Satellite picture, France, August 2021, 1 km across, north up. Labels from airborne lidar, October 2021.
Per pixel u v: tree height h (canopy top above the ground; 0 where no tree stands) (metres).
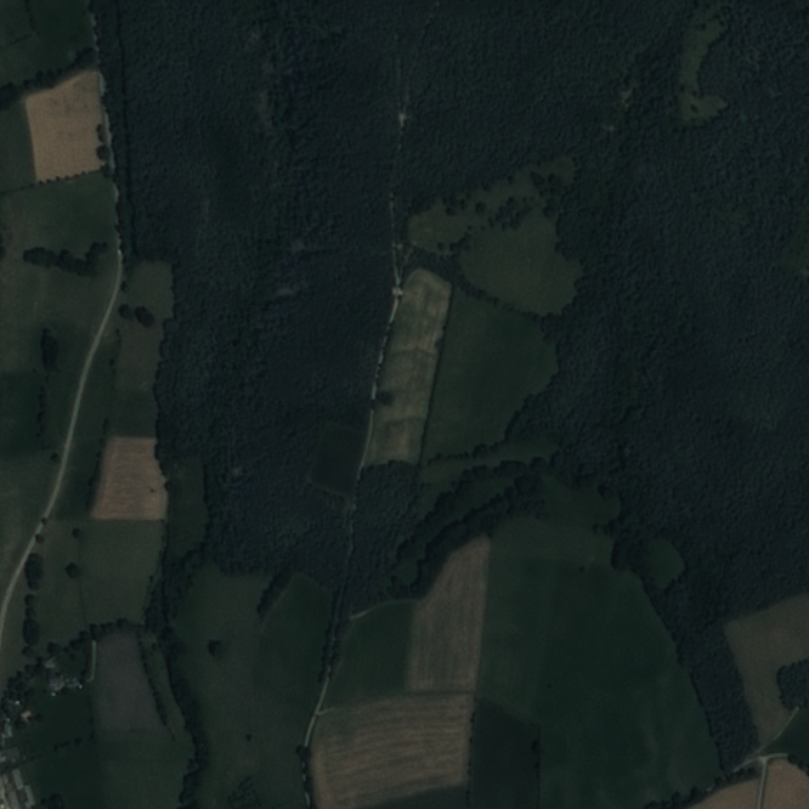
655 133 12
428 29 8
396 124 7
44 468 0
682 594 19
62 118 0
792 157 17
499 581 0
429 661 0
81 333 0
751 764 0
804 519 12
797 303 8
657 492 10
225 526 7
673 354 17
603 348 11
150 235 12
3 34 0
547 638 0
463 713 0
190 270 12
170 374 12
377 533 10
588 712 0
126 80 9
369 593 14
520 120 9
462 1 10
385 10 7
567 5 12
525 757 0
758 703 0
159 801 0
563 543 0
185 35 5
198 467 0
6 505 0
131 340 0
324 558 12
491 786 0
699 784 0
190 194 10
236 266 8
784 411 7
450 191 9
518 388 0
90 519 0
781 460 8
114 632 10
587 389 7
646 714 0
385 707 0
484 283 0
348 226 10
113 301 0
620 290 12
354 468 0
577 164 8
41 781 0
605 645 0
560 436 9
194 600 0
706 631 19
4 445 0
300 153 16
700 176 9
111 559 0
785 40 11
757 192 13
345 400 10
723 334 9
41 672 12
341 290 11
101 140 6
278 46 18
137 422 0
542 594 0
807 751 0
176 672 20
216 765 0
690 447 11
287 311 7
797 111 14
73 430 0
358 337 9
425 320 0
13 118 0
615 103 12
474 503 0
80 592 0
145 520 0
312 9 14
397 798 0
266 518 10
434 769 0
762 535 16
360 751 0
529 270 0
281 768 0
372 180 10
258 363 11
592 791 0
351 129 8
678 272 12
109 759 0
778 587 17
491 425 0
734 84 10
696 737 0
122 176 17
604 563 0
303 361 15
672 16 9
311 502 7
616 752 0
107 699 0
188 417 11
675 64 10
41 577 18
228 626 0
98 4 15
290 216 12
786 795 0
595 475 16
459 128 10
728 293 9
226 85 8
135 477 0
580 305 14
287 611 0
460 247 9
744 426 9
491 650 0
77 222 0
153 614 13
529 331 0
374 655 0
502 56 9
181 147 10
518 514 14
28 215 0
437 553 24
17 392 0
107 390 0
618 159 5
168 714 8
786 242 12
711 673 19
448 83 7
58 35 0
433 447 0
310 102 14
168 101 8
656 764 0
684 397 16
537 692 0
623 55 8
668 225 8
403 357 0
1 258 11
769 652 0
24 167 0
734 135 13
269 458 11
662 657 0
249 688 0
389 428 0
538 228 0
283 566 11
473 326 0
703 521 9
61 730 0
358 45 7
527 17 14
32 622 15
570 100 11
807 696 11
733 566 15
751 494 8
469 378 0
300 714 0
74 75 0
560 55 10
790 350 7
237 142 12
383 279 10
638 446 16
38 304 0
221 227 8
